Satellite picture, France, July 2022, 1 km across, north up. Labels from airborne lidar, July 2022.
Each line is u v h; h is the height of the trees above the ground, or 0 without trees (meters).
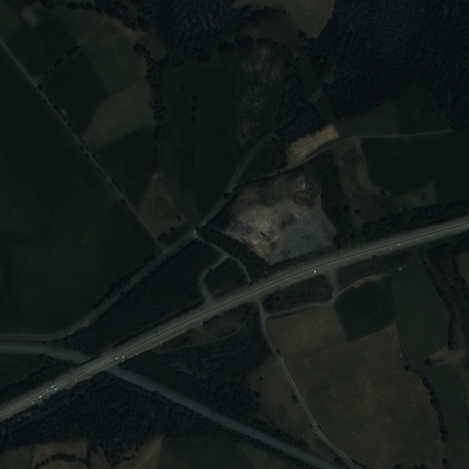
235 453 0
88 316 0
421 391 0
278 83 0
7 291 0
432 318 0
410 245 0
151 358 13
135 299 12
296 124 24
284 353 0
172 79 0
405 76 24
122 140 0
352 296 0
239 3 0
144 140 0
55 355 0
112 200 0
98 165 7
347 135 0
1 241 0
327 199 13
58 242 0
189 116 0
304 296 0
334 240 9
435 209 8
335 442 0
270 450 13
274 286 0
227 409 13
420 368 0
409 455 0
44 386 0
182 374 12
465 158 0
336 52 11
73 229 0
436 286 8
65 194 0
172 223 0
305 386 0
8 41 0
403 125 0
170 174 0
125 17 16
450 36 20
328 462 0
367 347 0
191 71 0
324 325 0
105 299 11
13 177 0
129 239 0
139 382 0
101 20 0
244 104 0
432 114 0
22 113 0
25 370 0
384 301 0
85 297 0
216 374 14
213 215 0
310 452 0
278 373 0
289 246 0
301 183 0
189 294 12
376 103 19
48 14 0
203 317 0
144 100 0
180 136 0
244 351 11
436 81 16
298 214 0
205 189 0
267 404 0
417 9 30
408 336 0
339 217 13
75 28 0
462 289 11
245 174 0
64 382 0
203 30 22
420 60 24
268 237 0
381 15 32
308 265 0
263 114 0
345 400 0
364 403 0
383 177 0
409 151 0
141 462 0
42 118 0
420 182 0
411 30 30
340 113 19
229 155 0
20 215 0
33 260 0
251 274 12
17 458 0
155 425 21
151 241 0
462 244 11
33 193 0
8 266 0
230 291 0
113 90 0
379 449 0
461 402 0
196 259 13
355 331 0
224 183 0
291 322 0
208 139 0
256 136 0
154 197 0
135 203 0
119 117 0
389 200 0
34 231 0
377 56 22
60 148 0
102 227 0
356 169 0
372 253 0
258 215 0
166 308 12
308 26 0
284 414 0
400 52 27
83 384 9
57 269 0
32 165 0
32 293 0
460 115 20
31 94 0
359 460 0
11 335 0
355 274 0
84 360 0
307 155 0
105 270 0
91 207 0
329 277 0
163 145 0
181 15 14
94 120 0
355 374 0
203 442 0
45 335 0
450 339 10
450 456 0
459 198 0
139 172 0
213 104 0
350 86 20
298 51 0
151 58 11
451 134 0
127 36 0
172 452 0
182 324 0
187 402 0
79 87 0
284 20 0
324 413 0
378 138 0
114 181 9
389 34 31
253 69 0
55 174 0
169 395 0
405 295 0
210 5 18
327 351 0
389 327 0
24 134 0
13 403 0
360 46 22
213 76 0
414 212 10
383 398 0
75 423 15
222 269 11
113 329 14
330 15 0
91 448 10
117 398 21
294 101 23
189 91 0
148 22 10
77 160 0
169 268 15
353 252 0
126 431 32
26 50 0
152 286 15
